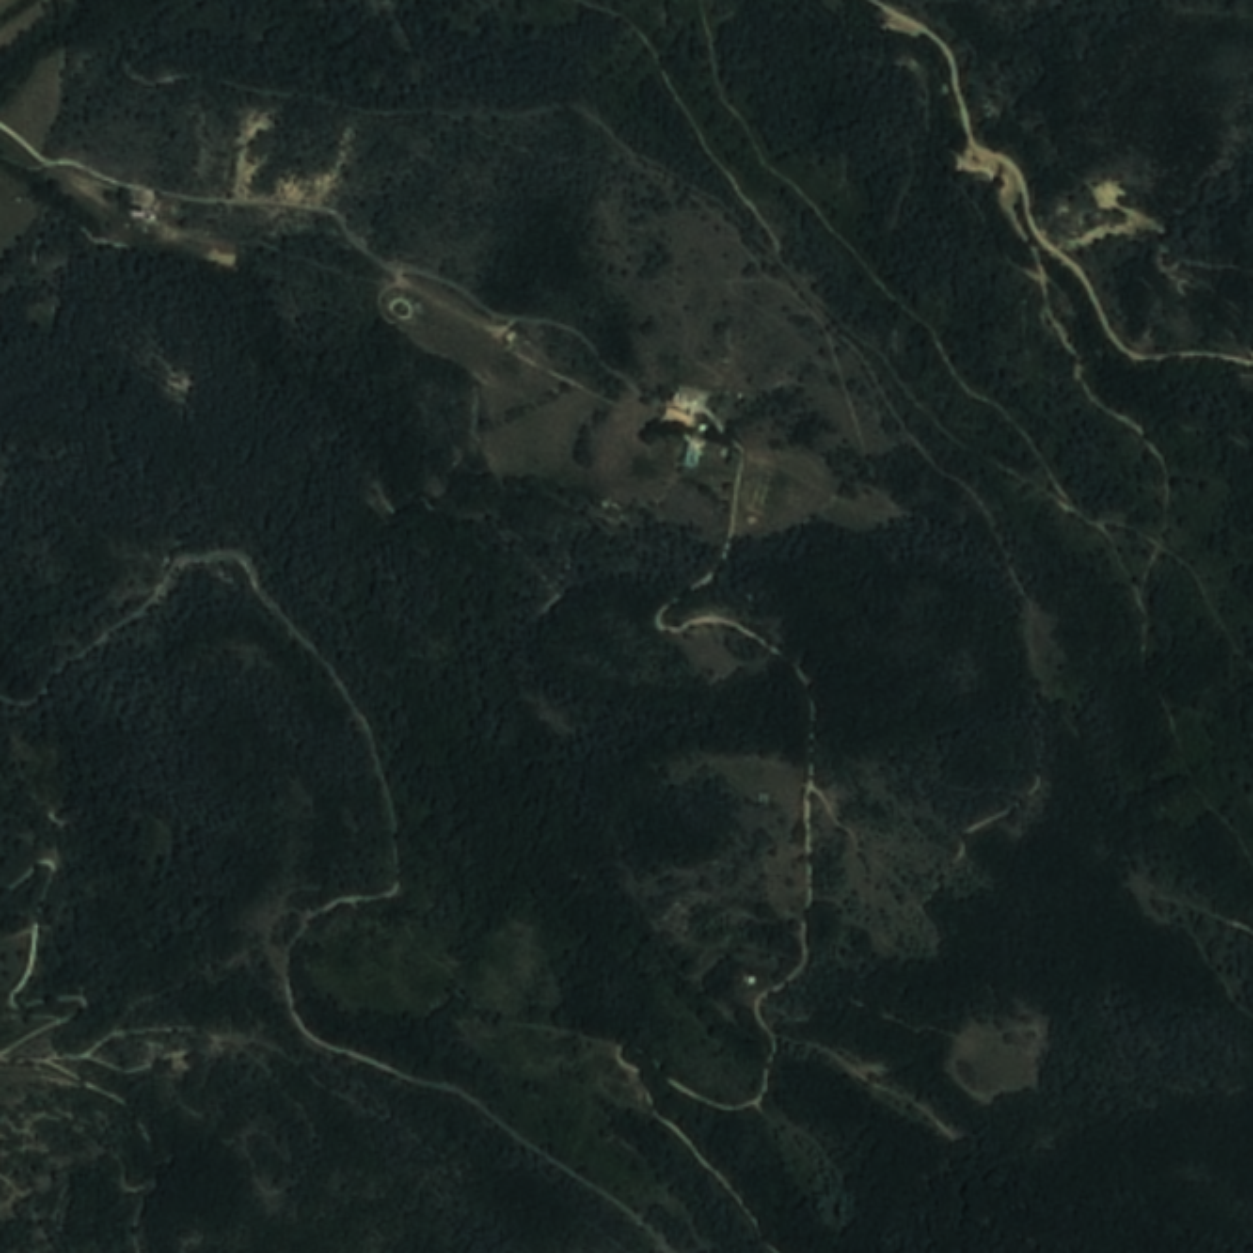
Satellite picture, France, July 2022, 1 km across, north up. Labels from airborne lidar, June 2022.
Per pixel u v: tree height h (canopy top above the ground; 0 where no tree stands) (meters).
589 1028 15
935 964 9
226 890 6
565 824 14
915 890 8
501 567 17
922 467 7
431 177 7
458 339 0
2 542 8
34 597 11
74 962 10
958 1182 13
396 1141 9
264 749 6
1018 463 8
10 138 0
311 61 13
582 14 9
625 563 13
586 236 9
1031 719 8
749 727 7
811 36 8
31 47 12
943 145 13
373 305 6
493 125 6
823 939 8
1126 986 8
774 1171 10
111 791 11
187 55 12
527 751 11
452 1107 5
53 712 8
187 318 14
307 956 8
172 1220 6
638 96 7
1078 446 10
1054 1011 6
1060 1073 7
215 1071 6
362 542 14
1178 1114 7
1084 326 10
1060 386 7
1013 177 0
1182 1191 9
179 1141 10
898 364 5
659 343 0
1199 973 8
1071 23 7
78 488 8
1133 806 11
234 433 15
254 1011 7
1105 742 10
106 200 7
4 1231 9
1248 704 8
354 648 6
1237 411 9
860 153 11
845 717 7
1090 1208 12
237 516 8
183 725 10
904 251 10
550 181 9
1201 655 15
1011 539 7
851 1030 7
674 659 7
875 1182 7
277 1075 7
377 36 10
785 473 0
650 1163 8
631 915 9
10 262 13
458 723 11
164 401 8
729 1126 9
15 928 7
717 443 9
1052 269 12
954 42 7
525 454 0
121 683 11
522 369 0
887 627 10
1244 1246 10
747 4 8
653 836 11
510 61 8
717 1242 10
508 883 18
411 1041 11
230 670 7
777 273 8
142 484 14
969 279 10
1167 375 13
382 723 12
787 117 8
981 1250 12
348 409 10
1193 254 8
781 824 6
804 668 9
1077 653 7
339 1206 6
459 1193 5
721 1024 7
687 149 6
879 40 7
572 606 8
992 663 7
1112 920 9
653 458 0
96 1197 7
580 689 10
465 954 9
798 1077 8
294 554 15
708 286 0
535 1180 11
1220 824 10
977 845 6
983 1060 0
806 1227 12
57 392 14
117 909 7
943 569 9
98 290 10
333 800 7
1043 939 9
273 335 8
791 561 7
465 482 12
